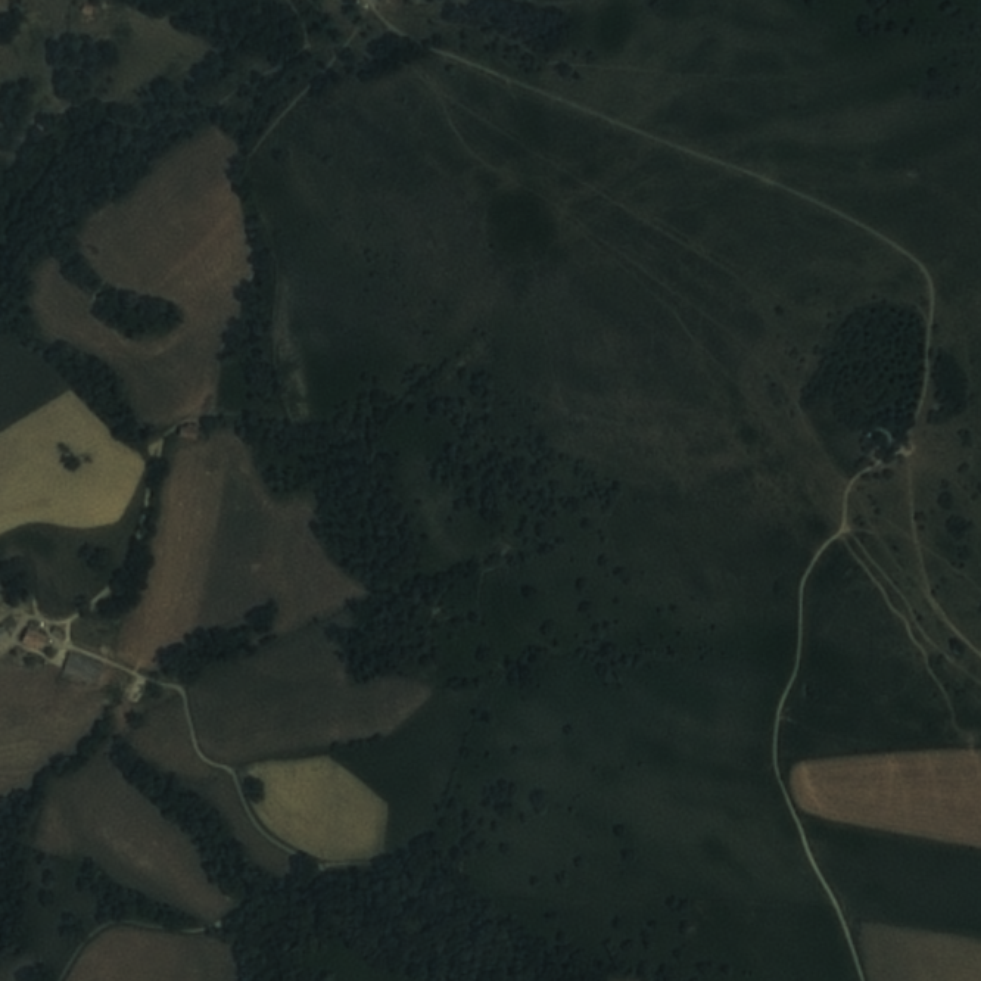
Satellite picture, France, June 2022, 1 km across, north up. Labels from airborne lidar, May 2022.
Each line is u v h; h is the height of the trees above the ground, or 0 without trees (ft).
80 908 0
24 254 67
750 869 0
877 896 0
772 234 0
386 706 0
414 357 0
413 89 0
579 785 0
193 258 0
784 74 0
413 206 0
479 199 0
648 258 0
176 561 0
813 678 0
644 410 0
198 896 0
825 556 0
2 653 0
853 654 0
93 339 0
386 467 45
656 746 0
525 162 0
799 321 0
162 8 82
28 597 51
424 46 28
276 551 0
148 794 44
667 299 0
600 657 28
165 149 50
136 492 0
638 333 0
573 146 0
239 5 24
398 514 43
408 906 62
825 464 0
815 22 0
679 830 0
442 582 32
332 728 0
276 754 0
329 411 0
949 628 0
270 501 0
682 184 0
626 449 0
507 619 0
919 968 0
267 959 37
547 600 0
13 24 70
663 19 0
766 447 0
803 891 0
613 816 0
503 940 52
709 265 0
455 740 0
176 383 0
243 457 0
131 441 47
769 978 0
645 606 0
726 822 0
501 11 63
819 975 0
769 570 0
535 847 0
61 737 0
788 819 0
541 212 0
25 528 0
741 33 0
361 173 0
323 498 29
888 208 0
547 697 0
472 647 0
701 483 0
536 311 0
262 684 0
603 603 0
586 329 0
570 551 0
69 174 34
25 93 58
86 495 0
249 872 96
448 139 0
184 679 70
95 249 37
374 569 68
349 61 55
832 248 0
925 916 0
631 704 0
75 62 88
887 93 0
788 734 0
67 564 0
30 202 46
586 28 0
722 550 0
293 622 0
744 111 0
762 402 0
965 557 19
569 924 0
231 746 0
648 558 0
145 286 0
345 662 38
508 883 0
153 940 0
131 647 0
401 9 0
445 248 0
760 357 0
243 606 0
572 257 0
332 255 0
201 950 0
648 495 0
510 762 0
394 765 0
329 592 0
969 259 0
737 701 0
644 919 0
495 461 39
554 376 0
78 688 0
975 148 0
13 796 26
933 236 0
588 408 0
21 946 28
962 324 0
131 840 0
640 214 0
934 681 0
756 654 0
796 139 0
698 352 0
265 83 35
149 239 0
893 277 0
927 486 0
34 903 0
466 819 37
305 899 74
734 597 0
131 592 53
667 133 0
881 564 0
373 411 42
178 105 61
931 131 0
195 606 0
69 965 0
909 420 56
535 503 40
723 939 0
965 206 0
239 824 0
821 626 0
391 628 59
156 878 0
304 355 0
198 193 0
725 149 0
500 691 0
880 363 18
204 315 0
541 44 52
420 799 0
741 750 0
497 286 0
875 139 0
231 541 0
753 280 0
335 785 0
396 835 0
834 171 0
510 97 0
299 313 0
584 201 0
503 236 0
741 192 0
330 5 0
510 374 0
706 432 0
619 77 0
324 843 0
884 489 0
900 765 0
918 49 0
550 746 0
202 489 0
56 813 0
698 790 0
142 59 0
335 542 60
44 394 0
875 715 0
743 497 0
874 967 0
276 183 0
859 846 0
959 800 0
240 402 0
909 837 0
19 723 0
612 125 0
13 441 0
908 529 0
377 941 52
